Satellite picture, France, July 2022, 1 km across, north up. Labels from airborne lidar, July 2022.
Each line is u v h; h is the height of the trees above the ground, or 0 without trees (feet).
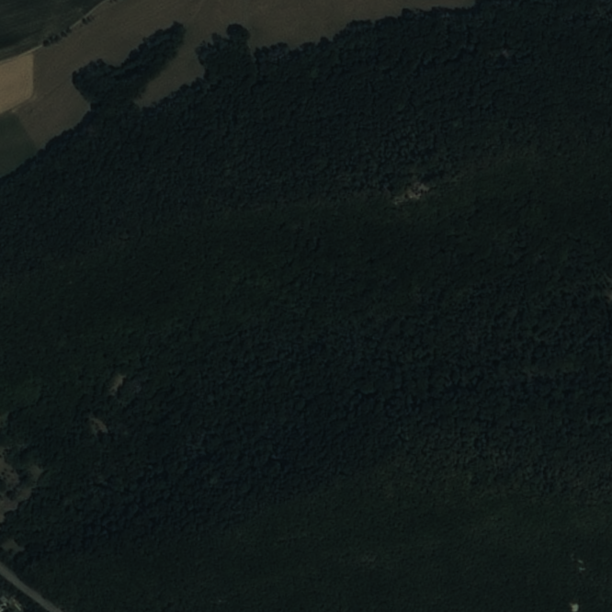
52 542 71
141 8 0
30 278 38
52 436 71
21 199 81
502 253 102
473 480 52
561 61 71
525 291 73
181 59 0
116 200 72
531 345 103
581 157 47
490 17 87
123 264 53
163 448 90
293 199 45
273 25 0
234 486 94
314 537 39
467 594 36
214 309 57
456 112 92
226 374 82
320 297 52
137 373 65
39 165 88
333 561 35
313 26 0
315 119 77
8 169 0
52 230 72
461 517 42
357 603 43
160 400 47
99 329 53
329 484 37
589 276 91
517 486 58
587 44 95
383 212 51
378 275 60
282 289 68
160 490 84
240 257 79
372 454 77
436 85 87
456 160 60
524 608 39
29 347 75
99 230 69
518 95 97
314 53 70
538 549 30
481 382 104
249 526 31
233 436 81
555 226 66
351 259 78
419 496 42
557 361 111
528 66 87
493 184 46
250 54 49
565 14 94
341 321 64
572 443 77
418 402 88
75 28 0
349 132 86
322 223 78
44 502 58
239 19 0
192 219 52
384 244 77
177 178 75
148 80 72
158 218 61
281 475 87
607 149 48
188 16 0
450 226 87
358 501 39
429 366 21
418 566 43
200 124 94
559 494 43
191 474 97
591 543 38
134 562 53
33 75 0
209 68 66
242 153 78
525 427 81
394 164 69
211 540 39
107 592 49
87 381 53
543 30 97
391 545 39
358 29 67
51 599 49
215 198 59
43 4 0
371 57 80
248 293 62
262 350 76
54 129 0
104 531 112
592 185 54
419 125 89
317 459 99
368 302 80
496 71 96
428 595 36
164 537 72
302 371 89
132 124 77
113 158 92
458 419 93
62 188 92
